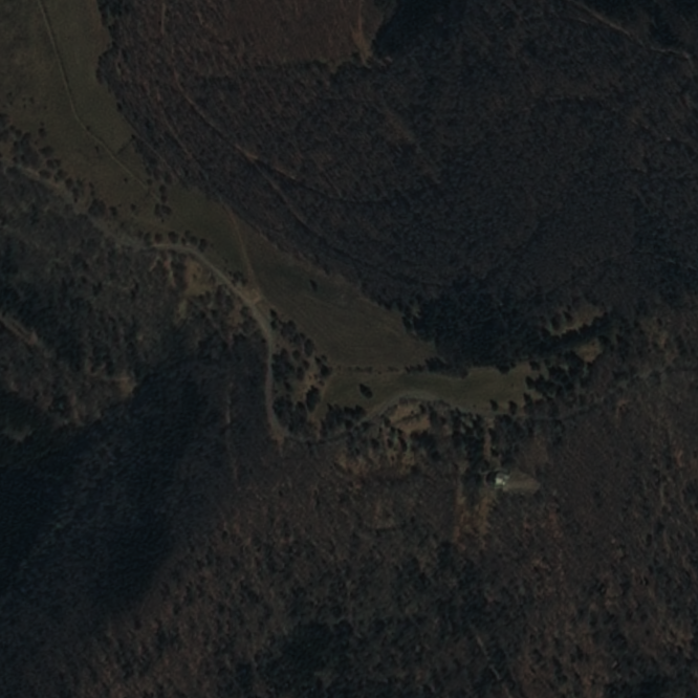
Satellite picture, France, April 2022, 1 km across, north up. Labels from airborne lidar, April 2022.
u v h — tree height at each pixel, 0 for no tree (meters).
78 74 0
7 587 17
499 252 22
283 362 9
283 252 13
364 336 0
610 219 21
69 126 0
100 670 14
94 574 23
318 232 23
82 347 22
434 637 33
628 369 12
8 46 0
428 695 30
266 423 13
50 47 0
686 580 26
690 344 11
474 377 0
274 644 29
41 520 21
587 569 28
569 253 19
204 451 20
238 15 12
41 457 17
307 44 15
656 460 26
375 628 32
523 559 25
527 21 6
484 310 27
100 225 0
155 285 20
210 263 0
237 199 21
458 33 28
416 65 29
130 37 13
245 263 0
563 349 16
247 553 20
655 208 23
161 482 16
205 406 12
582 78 28
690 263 20
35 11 0
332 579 29
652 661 22
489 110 25
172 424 25
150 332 18
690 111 31
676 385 21
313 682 27
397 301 18
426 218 29
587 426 21
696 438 26
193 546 11
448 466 21
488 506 0
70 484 21
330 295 0
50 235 19
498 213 23
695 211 19
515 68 28
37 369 28
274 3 16
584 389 13
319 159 30
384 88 29
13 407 22
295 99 32
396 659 30
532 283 19
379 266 20
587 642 7
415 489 26
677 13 17
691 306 11
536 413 15
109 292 16
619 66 34
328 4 15
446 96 28
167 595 13
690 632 23
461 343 14
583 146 26
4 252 20
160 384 26
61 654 20
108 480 15
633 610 29
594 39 6
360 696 37
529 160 25
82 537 22
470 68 7
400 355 0
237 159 21
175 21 26
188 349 20
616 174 24
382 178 27
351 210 27
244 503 19
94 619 18
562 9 13
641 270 16
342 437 14
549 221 21
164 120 21
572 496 26
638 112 26
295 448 15
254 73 33
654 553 25
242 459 16
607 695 36
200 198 0
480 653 35
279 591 26
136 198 0
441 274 25
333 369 7
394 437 13
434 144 30
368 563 27
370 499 25
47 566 27
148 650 21
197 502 14
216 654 26
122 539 20
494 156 23
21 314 17
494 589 25
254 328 9
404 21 17
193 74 29
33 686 19
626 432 27
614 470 25
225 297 9
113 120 0
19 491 22
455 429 11
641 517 27
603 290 11
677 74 28
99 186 0
